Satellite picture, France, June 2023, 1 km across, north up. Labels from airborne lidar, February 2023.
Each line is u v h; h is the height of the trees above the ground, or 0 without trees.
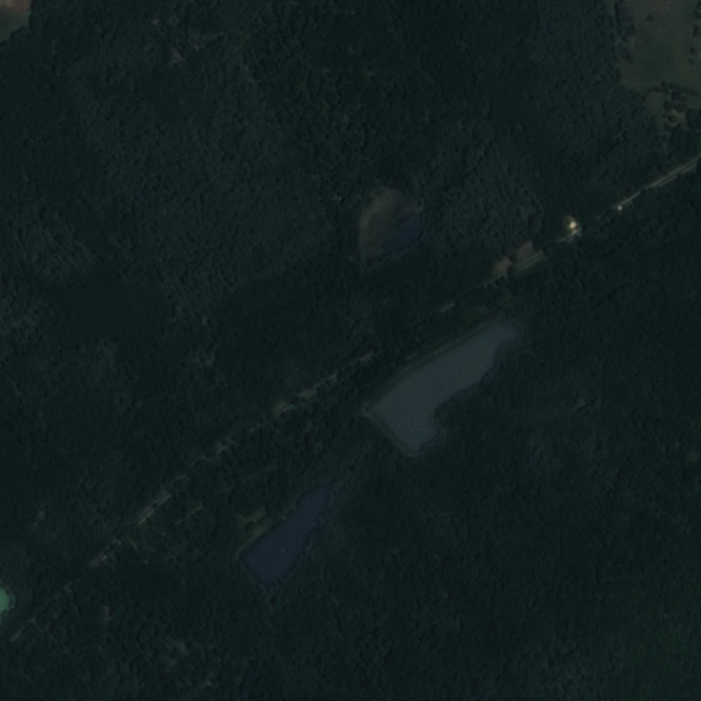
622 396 21
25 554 17
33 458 13
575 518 18
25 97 27
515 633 24
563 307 17
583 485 20
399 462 16
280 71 17
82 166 25
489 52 18
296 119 21
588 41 26
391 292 9
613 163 22
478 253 16
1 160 26
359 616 23
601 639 18
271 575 0
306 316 21
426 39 14
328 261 21
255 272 20
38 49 28
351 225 21
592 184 21
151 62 29
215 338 10
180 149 27
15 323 19
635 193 11
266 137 28
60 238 25
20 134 23
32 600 12
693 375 19
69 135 27
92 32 19
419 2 12
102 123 27
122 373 8
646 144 23
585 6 22
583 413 17
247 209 18
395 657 22
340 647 24
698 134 6
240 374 14
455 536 23
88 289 13
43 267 25
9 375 17
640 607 17
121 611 23
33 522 19
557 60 23
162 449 15
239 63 25
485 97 20
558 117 22
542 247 16
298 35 20
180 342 9
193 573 23
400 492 18
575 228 0
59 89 28
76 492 18
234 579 22
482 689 18
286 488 15
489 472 20
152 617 23
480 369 0
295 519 0
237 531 17
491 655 19
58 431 22
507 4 19
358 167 18
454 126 24
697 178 18
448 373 0
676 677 18
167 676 8
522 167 21
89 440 21
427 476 17
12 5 0
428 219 10
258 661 20
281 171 18
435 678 16
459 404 19
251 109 24
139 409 21
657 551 11
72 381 25
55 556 17
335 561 13
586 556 19
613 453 25
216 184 28
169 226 19
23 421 12
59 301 11
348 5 23
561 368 19
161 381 11
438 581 26
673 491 22
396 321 18
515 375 22
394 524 17
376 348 14
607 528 15
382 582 20
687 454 8
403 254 8
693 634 13
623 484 27
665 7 0
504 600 22
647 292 17
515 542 21
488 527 20
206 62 15
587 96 22
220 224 22
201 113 17
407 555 16
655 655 15
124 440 19
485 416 15
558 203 22
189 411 21
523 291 16
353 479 25
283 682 23
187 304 28
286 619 22
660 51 0
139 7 29
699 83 0
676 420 19
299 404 17
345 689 14
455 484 14
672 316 18
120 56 29
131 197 25
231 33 28
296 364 23
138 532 17
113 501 18
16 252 21
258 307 23
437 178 23
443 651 16
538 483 23
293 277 20
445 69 11
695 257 7
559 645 18
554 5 22
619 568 20
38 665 18
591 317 21
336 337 20
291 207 19
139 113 13
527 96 21
